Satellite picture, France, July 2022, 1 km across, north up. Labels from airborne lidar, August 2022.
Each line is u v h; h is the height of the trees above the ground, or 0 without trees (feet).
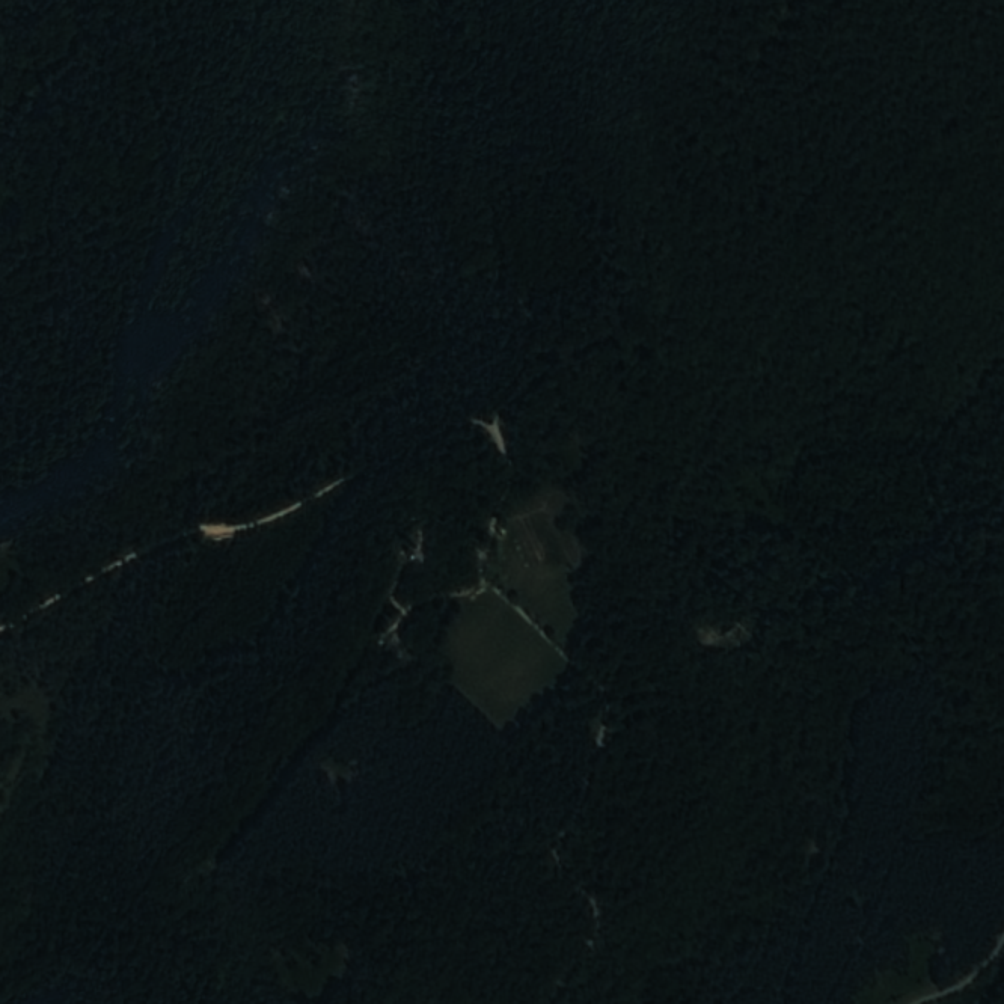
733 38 67
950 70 61
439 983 54
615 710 50
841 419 57
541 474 66
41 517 49
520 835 52
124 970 86
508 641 0
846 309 58
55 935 59
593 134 44
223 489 70
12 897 41
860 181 71
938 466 71
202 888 50
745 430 72
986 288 59
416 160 77
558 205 48
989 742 64
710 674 39
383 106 79
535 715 73
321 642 63
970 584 109
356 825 77
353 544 66
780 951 73
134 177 65
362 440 52
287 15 45
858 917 78
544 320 81
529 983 50
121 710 61
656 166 51
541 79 85
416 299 71
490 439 23
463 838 50
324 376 43
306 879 78
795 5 65
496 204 65
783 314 52
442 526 46
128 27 108
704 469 81
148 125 94
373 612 35
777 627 91
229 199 46
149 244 83
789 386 58
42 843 51
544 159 62
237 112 44
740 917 72
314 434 52
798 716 79
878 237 58
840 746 77
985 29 55
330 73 33
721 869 62
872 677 82
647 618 83
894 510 46
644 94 31
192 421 37
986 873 94
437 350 48
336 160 46
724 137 73
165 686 99
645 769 48
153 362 37
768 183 60
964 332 52
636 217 36
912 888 87
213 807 79
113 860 73
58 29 94
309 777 73
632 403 77
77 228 101
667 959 75
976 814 84
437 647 63
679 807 43
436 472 39
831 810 84
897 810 81
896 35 47
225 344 45
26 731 31
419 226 86
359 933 60
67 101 107
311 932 72
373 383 57
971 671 83
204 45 90
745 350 49
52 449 83
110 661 67
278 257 43
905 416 85
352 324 45
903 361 54
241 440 58
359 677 29
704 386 65
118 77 89
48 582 43
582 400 45
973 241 52
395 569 31
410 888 68
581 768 40
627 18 46
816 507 55
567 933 57
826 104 57
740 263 56
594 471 64
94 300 104
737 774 49
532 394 79
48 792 44
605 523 63
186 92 76
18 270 105
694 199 64
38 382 80
